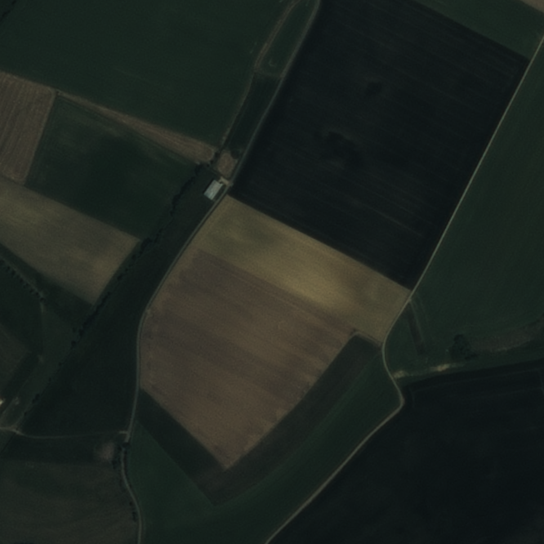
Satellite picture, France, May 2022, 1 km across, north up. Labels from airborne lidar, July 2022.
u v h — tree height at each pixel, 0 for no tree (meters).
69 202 0
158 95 0
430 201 0
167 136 0
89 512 0
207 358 0
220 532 0
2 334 0
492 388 0
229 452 0
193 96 0
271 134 0
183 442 0
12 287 0
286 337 0
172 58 0
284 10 0
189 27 0
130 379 0
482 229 0
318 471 0
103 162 0
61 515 0
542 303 0
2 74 0
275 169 0
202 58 0
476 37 0
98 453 0
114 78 0
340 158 0
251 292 0
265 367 0
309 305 0
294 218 0
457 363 0
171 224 0
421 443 0
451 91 0
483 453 0
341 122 0
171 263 0
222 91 0
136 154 0
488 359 0
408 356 0
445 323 0
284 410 0
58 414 0
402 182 0
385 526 0
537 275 0
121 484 14
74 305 0
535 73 0
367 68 0
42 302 8
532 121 0
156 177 0
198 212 0
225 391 0
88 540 0
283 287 0
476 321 0
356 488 0
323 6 0
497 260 0
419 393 0
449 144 0
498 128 0
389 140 0
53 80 0
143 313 0
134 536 0
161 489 0
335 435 0
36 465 0
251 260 0
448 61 0
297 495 0
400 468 0
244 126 0
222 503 0
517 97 0
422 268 0
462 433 0
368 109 0
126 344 0
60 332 0
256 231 0
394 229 0
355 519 0
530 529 0
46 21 0
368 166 0
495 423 0
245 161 0
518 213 0
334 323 0
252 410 0
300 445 0
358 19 0
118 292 0
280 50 0
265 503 0
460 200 0
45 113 0
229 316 0
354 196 0
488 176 0
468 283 0
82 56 0
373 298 0
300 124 0
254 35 0
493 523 0
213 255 0
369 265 0
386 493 0
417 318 0
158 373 0
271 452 0
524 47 0
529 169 0
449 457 0
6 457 0
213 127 0
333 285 0
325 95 0
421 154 0
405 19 0
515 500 0
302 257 0
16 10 0
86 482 0
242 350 0
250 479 0
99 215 0
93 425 0
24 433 0
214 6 0
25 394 0
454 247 0
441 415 0
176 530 0
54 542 0
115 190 0
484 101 0
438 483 0
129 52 0
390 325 0
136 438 0
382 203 0
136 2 0
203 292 0
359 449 0
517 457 0
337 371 0
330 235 0
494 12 0
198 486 0
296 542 0
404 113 0
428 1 0
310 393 0
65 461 0
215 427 0
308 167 0
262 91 0
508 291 0
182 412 0
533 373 0
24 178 0
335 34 0
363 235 0
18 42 0
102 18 0
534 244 0
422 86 0
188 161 0
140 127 0
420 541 0
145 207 0
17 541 0
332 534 0
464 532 0
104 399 0
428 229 0
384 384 0
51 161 0
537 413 0
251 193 0
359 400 0
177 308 0
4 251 0
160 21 0
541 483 0
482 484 0
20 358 0
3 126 0
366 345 0
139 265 0
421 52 0
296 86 0
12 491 0
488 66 0
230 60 0
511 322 0
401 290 0
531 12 0
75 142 0
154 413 0
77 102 0
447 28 0
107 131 0
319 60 0
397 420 0
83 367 0
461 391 0
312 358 0
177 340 0
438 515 0
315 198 0
